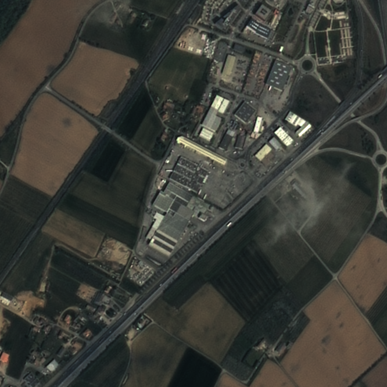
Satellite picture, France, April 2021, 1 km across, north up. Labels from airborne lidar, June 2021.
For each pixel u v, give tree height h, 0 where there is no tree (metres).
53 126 0
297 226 5
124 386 0
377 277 0
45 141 0
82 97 0
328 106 0
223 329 0
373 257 0
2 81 0
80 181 0
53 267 0
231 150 0
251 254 0
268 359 8
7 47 0
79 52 0
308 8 0
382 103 0
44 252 0
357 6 0
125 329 0
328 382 0
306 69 0
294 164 0
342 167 0
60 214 0
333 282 0
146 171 0
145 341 0
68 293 0
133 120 0
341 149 0
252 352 9
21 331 0
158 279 18
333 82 0
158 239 0
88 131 0
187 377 0
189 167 0
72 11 0
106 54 0
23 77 0
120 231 0
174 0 0
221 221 0
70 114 0
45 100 0
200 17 0
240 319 0
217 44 0
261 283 0
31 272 0
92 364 8
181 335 0
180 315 0
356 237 0
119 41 0
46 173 0
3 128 0
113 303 0
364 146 7
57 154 0
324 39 0
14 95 0
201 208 0
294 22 0
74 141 0
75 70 0
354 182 0
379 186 0
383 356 10
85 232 0
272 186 0
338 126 0
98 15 0
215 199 0
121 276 0
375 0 0
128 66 0
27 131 0
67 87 0
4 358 0
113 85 0
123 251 0
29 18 0
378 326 0
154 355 0
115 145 0
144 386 0
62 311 0
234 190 0
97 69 0
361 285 0
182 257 17
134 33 0
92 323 0
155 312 0
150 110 0
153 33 0
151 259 0
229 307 0
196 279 0
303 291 0
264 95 0
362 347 0
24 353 0
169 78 0
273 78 0
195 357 0
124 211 0
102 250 0
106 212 0
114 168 0
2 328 0
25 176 0
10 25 11
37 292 0
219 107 0
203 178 0
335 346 0
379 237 0
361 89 17
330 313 0
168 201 0
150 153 0
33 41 0
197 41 0
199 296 0
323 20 0
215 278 0
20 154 0
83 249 0
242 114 0
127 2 0
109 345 6
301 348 0
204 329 0
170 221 0
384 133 0
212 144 7
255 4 7
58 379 0
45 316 0
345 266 0
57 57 0
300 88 0
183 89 0
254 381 0
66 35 0
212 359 0
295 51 0
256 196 0
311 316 0
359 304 0
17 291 0
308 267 0
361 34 0
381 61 0
